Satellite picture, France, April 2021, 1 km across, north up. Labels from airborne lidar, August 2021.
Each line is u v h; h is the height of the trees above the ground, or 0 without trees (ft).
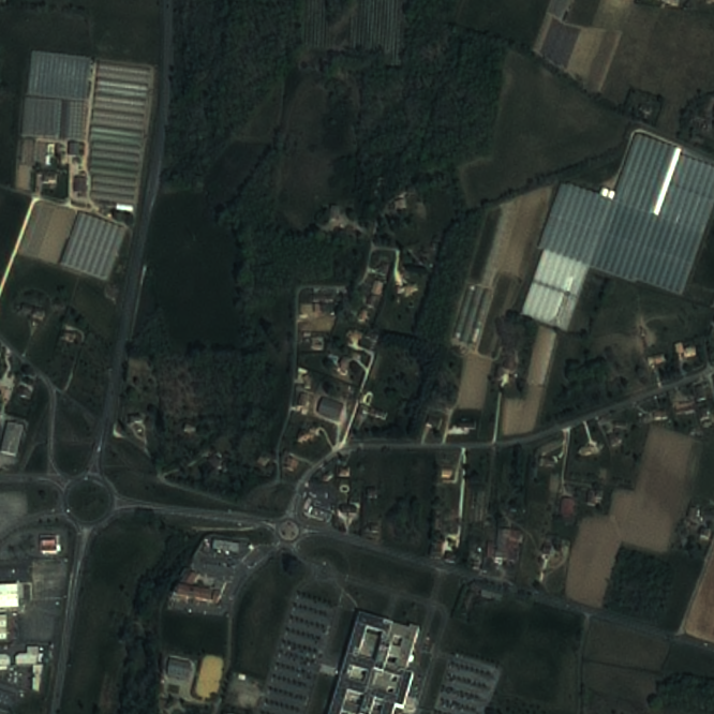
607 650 0
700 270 0
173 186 51
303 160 0
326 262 51
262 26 43
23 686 0
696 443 0
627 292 0
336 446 0
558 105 0
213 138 38
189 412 37
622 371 59
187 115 34
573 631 0
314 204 0
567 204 0
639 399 0
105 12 0
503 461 0
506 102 0
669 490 0
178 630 0
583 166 21
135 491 0
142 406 0
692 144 19
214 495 45
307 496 0
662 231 0
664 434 0
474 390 0
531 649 0
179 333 0
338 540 0
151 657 46
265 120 0
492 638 0
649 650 0
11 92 37
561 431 0
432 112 27
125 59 0
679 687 40
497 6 0
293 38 45
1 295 0
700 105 31
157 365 38
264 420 80
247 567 0
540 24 0
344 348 31
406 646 0
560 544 27
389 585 0
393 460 0
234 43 50
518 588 0
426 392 37
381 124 43
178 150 18
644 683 0
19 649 0
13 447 0
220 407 52
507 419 0
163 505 0
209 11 59
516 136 0
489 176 0
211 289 0
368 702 0
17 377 33
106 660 0
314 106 0
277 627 0
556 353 0
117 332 0
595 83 0
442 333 61
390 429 33
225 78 56
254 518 0
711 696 41
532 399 0
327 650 0
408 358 31
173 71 41
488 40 47
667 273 0
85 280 0
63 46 0
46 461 0
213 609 0
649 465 0
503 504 34
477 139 54
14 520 0
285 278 37
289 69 30
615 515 0
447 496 26
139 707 104
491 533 0
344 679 0
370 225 47
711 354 35
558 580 0
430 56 30
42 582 0
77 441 0
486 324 0
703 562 0
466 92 51
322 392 0
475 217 49
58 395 0
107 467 0
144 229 0
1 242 0
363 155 27
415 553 0
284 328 0
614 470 0
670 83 0
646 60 0
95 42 0
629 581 33
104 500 0
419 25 34
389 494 0
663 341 0
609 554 0
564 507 0
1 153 0
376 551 0
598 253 0
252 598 0
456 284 54
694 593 0
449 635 0
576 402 48
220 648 0
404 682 0
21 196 0
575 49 0
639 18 0
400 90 26
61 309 18
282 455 21
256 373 69
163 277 0
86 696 0
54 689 0
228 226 46
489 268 0
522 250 0
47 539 0
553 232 0
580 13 0
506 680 0
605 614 0
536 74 0
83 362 23
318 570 0
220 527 0
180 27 33
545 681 0
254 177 36
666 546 0
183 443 54
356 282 41
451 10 31
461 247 49
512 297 0
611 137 0
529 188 27
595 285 0
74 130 0
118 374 0
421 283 0
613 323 0
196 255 0
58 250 0
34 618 0
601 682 0
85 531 0
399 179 44
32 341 0
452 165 46
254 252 78
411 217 28
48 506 0
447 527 24
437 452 0
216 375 54
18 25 0
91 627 0
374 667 0
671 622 0
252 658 0
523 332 63
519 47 58
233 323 0
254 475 54
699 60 0
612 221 0
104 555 0
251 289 94
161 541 0
